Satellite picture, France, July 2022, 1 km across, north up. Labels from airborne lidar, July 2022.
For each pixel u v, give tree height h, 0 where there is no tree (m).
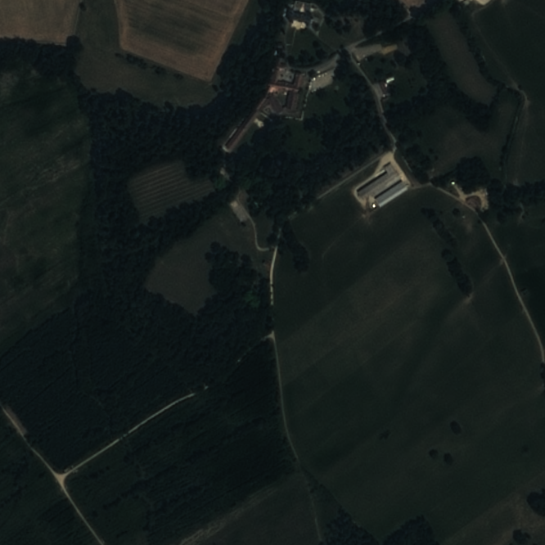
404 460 0
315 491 10
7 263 0
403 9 23
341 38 0
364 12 28
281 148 12
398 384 0
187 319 18
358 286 0
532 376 0
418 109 21
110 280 17
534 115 0
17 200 0
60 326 8
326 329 0
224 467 9
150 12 0
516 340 0
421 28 20
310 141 6
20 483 13
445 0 27
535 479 0
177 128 22
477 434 0
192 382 22
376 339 0
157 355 9
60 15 0
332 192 0
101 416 7
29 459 13
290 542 0
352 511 0
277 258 0
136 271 20
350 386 0
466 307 0
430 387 0
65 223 0
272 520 0
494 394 0
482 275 0
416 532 22
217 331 15
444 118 0
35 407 9
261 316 24
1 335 0
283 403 0
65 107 0
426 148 0
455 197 0
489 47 0
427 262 0
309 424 0
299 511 0
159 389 9
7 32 0
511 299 0
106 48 0
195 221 7
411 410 0
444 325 0
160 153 11
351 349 0
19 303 0
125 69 0
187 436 5
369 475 0
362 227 0
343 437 0
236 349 20
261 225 0
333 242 0
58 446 9
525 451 14
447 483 0
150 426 6
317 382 0
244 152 24
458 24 10
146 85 0
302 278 0
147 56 0
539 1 0
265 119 0
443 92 29
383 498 0
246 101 27
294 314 0
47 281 0
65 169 0
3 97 0
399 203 0
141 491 14
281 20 23
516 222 0
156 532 6
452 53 0
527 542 6
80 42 20
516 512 0
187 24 0
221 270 18
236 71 29
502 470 0
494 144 0
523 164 0
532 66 0
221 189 25
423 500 0
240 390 10
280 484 0
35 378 7
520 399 0
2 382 9
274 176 28
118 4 0
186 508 7
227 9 0
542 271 0
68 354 7
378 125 23
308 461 0
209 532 0
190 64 0
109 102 23
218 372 24
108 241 16
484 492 0
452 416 0
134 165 8
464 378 0
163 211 0
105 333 13
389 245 0
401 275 0
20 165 0
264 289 11
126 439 15
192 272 0
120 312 13
